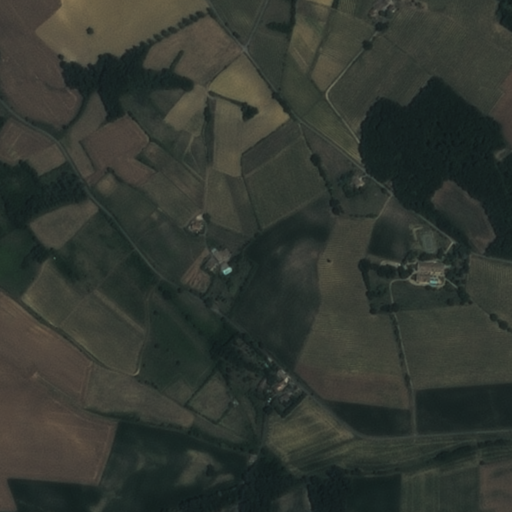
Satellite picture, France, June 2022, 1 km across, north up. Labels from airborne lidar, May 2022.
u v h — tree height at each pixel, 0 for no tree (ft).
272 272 0
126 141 0
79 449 0
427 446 0
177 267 0
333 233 0
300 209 0
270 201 0
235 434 0
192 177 0
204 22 0
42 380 0
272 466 33
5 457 0
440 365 0
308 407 0
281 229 0
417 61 0
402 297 0
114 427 0
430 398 0
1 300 0
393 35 0
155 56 0
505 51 0
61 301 0
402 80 0
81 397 0
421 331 0
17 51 0
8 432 0
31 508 0
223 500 37
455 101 55
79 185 93
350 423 0
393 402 0
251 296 0
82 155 0
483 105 0
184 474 0
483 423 0
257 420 20
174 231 0
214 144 0
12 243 0
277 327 0
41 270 0
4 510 0
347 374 0
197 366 0
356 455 0
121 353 0
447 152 78
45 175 21
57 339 0
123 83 59
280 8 0
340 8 0
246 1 0
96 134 0
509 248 53
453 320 0
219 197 0
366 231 0
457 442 0
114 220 41
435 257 43
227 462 0
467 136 61
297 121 20
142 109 0
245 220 0
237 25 0
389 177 52
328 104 0
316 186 0
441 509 0
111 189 0
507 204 64
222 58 0
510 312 0
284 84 0
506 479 0
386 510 0
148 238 0
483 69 0
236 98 0
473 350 0
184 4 0
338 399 0
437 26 0
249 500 76
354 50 0
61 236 0
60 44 0
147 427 0
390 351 0
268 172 0
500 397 0
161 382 0
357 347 0
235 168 0
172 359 0
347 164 0
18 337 0
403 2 0
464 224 0
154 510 0
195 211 0
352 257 0
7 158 0
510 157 40
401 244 0
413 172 82
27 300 0
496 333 0
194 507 95
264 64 0
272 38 0
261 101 0
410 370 0
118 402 0
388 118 71
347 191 25
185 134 0
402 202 47
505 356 0
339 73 0
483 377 0
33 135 0
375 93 0
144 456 0
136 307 0
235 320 0
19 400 0
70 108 0
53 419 0
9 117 0
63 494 0
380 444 0
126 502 0
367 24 0
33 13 0
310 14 0
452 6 0
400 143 83
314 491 79
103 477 0
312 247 0
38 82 0
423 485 0
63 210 0
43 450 0
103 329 0
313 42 0
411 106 57
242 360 34
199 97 0
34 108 0
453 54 0
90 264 0
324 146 0
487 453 0
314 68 0
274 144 0
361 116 0
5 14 0
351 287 0
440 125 79
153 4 0
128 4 0
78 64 76
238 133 0
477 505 0
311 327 0
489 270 0
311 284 0
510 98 0
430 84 56
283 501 0
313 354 0
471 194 52
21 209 23
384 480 0
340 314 0
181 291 37
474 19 0
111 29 0
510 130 0
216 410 0
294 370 0
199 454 0
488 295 0
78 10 0
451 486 0
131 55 58
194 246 0
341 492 64
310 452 0
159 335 0
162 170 0
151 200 0
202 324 0
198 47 0
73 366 0
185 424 0
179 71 0
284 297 0
